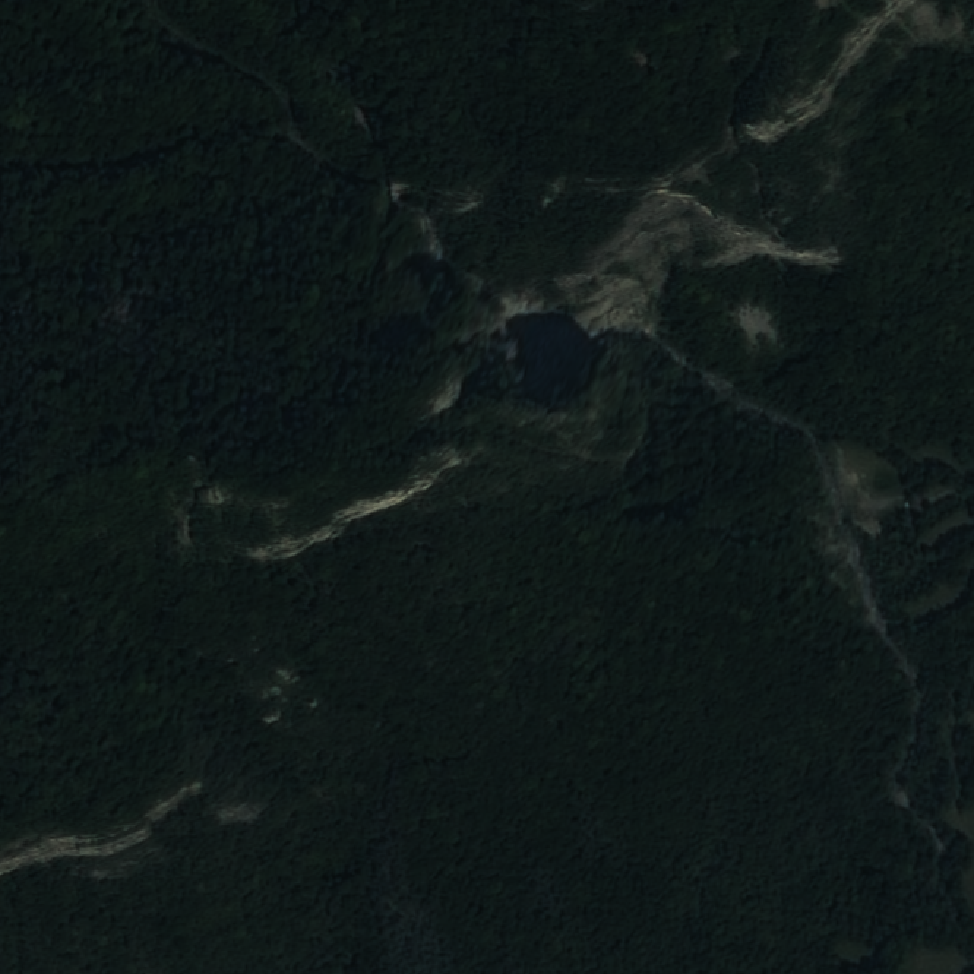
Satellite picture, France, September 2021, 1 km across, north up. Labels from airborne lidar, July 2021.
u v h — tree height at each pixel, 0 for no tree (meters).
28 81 32
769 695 20
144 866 8
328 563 24
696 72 17
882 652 15
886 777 28
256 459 31
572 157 20
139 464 18
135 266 30
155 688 27
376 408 25
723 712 18
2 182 39
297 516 12
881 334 15
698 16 28
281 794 23
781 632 23
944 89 26
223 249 30
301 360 29
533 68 22
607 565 21
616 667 23
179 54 22
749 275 15
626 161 18
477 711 18
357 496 13
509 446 10
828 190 8
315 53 18
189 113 29
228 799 12
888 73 12
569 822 12
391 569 23
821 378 20
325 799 16
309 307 31
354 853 19
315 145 32
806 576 25
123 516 19
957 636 8
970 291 20
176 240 20
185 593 13
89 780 17
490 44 27
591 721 24
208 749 26
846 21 15
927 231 17
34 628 25
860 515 0
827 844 18
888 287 18
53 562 21
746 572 26
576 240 13
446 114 21
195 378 28
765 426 7
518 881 16
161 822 16
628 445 10
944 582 18
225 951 13
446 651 20
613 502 20
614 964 15
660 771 19
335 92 21
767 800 23
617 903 18
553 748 23
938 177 30
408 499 9
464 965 19
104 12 27
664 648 23
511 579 27
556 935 19
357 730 11
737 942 21
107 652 28
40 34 28
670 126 20
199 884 20
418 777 25
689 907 21
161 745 25
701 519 16
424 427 18
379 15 25
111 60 35
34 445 22
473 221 15
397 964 9
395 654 17
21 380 26
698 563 22
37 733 12
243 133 24
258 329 32
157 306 30
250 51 23
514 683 18
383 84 34
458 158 19
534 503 21
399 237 32
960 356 29
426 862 18
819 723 17
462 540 19
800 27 10
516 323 0
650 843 14
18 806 17
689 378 15
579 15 19
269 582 23
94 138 30
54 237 24
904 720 15
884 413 30
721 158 8
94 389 24
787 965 23
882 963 25
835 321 26
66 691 20
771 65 9
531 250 16
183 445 19
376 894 12
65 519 19
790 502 8
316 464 24
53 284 31
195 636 17
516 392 18
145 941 17
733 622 23
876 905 16
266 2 25
